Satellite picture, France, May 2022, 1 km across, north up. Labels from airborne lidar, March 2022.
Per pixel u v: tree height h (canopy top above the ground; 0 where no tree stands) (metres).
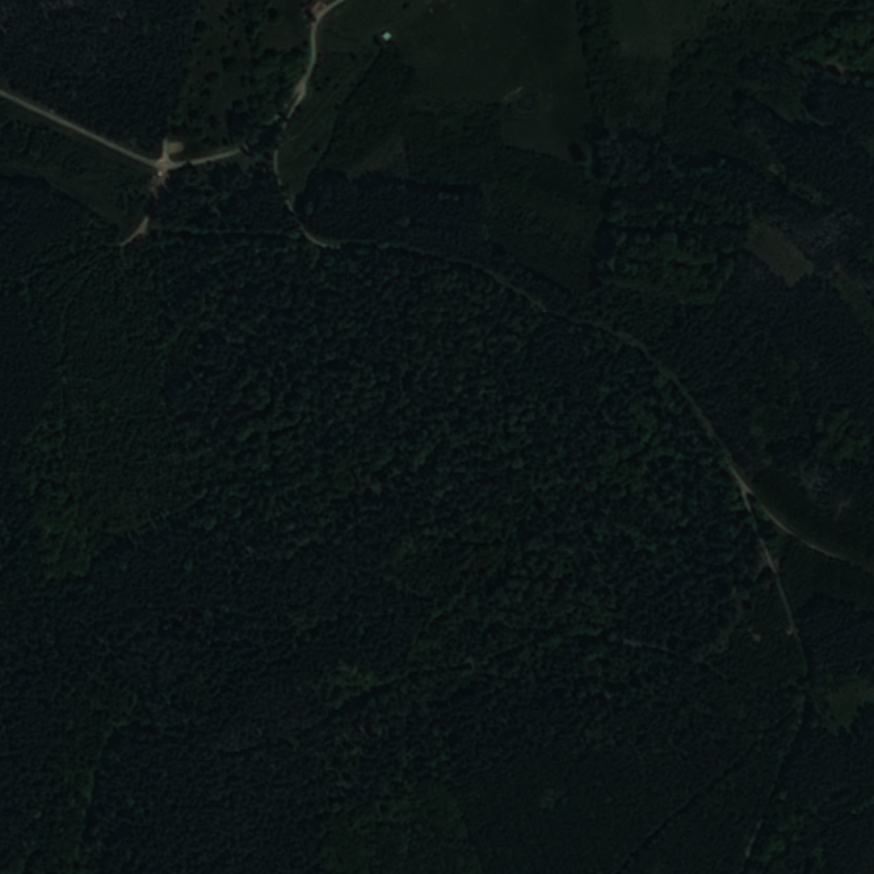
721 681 18
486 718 30
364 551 24
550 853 16
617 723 20
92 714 19
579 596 22
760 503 14
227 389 32
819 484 23
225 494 24
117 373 8
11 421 22
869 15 28
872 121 34
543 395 18
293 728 26
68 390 8
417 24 0
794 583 9
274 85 16
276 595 25
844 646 34
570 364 27
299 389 30
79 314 11
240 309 31
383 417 31
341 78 0
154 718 35
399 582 8
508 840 17
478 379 29
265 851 24
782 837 21
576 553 13
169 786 29
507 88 0
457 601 29
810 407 19
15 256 20
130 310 7
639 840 17
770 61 28
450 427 29
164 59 24
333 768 20
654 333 9
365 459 21
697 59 13
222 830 23
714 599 31
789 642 6
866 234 35
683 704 20
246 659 21
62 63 24
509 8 0
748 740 19
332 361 12
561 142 0
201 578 28
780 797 23
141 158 0
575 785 18
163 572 31
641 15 0
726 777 14
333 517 14
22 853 21
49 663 27
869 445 38
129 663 39
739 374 22
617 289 7
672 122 10
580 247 7
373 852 16
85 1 26
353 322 30
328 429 28
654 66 0
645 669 13
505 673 29
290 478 28
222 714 20
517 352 17
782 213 34
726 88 10
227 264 25
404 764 23
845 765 34
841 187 35
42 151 7
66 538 30
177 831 21
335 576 26
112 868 34
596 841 17
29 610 24
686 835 18
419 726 32
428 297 30
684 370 22
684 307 10
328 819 15
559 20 0
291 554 24
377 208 25
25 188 22
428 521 17
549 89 0
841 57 17
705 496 31
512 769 19
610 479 18
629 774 19
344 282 30
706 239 25
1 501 23
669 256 35
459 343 33
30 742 26
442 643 13
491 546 14
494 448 25
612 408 19
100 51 24
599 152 28
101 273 9
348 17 0
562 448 16
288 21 0
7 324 21
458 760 26
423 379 32
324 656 23
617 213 29
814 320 31
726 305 19
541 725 31
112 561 26
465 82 0
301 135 0
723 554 28
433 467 28
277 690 25
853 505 14
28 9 24
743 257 27
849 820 28
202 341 8
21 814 28
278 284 35
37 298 14
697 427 25
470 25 0
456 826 16
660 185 33
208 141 10
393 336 28
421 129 8
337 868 15
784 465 26
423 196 28
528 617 10
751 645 6
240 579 25
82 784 15
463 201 27
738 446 33
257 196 28
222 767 20
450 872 13
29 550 20
